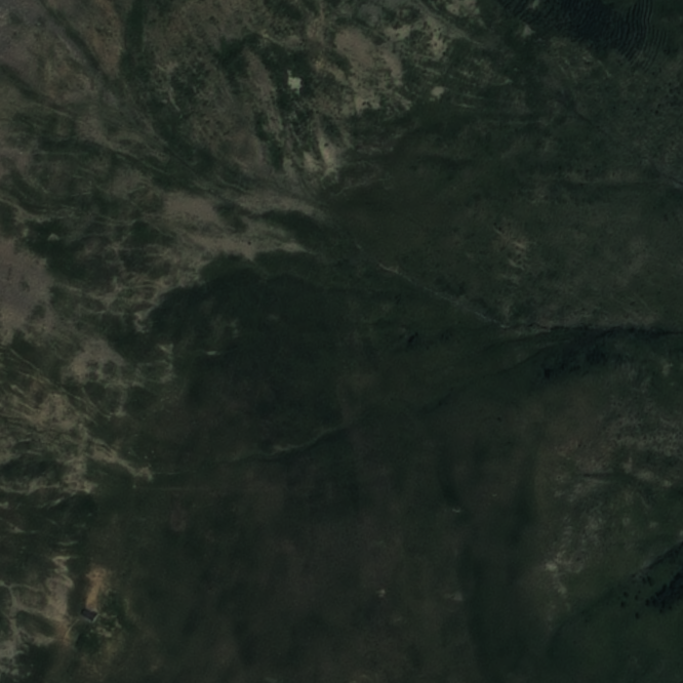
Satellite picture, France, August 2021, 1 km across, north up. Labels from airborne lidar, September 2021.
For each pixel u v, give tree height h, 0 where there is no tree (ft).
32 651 0
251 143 0
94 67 0
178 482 0
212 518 0
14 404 0
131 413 0
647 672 0
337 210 0
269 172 0
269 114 0
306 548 0
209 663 0
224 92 0
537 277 0
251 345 0
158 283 0
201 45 0
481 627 0
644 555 0
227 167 0
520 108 0
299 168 0
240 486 0
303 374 0
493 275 0
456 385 0
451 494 0
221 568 0
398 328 0
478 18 0
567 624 0
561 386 0
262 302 0
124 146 0
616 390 0
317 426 0
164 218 0
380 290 0
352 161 0
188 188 0
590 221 0
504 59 0
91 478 0
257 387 0
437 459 0
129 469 0
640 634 0
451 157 0
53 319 0
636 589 0
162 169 0
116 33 0
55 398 0
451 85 0
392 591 0
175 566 0
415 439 0
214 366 0
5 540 0
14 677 0
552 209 0
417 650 0
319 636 0
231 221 0
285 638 0
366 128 0
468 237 0
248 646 0
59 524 0
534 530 0
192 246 0
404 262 0
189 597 0
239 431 0
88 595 0
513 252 0
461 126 0
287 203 0
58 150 0
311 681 0
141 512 0
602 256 0
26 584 0
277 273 0
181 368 0
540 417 0
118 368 0
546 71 0
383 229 0
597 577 0
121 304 0
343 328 0
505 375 0
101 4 0
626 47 23
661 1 0
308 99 0
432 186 0
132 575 0
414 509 0
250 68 0
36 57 0
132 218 0
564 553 0
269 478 0
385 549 0
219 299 0
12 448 0
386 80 0
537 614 0
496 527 0
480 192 0
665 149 0
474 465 0
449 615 0
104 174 0
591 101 0
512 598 0
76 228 0
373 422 0
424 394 0
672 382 0
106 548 0
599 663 0
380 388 0
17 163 0
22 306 0
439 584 0
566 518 0
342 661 0
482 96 0
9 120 0
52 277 0
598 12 21
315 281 0
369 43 0
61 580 0
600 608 0
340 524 0
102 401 0
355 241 0
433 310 0
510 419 0
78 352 0
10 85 0
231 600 0
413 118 0
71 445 0
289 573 0
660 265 0
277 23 0
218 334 0
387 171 0
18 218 0
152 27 0
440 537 0
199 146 0
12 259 0
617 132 0
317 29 0
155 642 0
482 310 0
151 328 0
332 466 0
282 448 0
